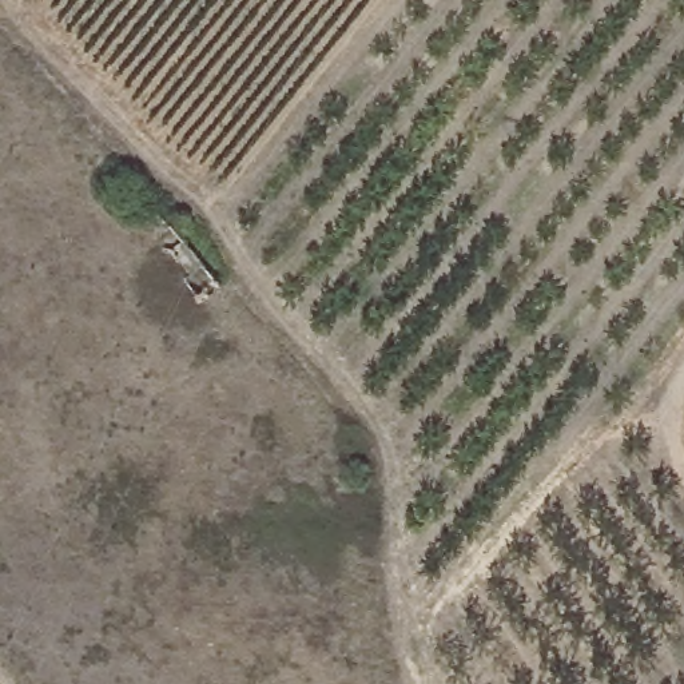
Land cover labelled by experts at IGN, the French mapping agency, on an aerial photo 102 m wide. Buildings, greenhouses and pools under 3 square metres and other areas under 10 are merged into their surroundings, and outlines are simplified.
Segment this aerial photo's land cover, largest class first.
<instances>
[{"label":"herbaceous vegetation","instance_id":"1","mask_svg":"<svg viewBox=\"0 0 684 684\"><path fill-rule=\"evenodd\" d=\"M131 155L126 139L102 115H96L88 99L80 91H75L69 80L51 61H45L32 48V43L0 13V684H403V665L398 663L393 649V617L387 609V582L382 569V481L374 489H366L363 494H342L334 486L331 476L339 468V460L334 452L337 419L331 411L334 406H342L353 411L342 398L339 387L315 363V358L307 355L265 313L262 302L248 289V281L232 270L224 283L235 294L227 307H214L208 313V307L198 305L195 299L187 297V289L182 286V275L187 273L184 265L174 262L158 246H152L144 254L131 232L118 230L112 222H104L94 211L96 200L91 184L94 171L104 163L107 155ZM684 326V302H679V307L657 326V331L647 337L644 347L636 353L625 374L636 385L657 361H663L665 345L673 342L676 331Z\"/></svg>","mask_w":684,"mask_h":684},{"label":"plowed land","instance_id":"2","mask_svg":"<svg viewBox=\"0 0 684 684\"><path fill-rule=\"evenodd\" d=\"M510 0H486L478 19L468 24L462 40L452 45L449 56L436 59L428 51V35L446 24L449 11H462V0H371L363 8V13L353 21V27L345 32V37L307 77V83L297 91V96L283 107L275 123L265 131V136L248 150L240 166L230 174V179L219 182L222 168H211V163L216 160V155L224 152V144H211L206 155L190 158L195 142L187 139L182 150H176L182 134L174 136L171 144H166V134L171 128L163 126L166 110H160L158 118H150V110L160 102V96L150 99V94H139V99H134L118 75L94 61V56L80 43L77 32H67V21H72L75 13L59 19L51 0H0V13L32 43V48L45 61H51L69 80L75 91H80L88 99L96 115H102L126 139L131 155L142 158L150 166V171L176 195V200H187L208 219L214 235L232 259V270L248 281V289L262 302L265 313L307 355L315 358V363L339 387L342 398L353 411L366 422V428L377 438L382 481V569L387 582V609L393 617V649L398 663L403 665V684H561L558 676L542 671L540 647L521 641L516 628L508 623V609L489 596V577L518 580V588L526 593V615L542 620L550 631H558V655L561 660L577 663L582 668L585 684H607L593 676V649L580 636H572V623L564 620V604L548 601L540 593V582H545L553 572L569 574V593L580 599L585 623L601 633L615 660L625 657L628 652L625 633L607 628L604 612L593 604L590 572H580L574 566L561 564L558 550L542 537L537 513L542 510L548 494L564 502V513L569 516L577 537L588 542L593 556L604 558V564L609 566V582L625 585L631 620L641 625L644 644L655 649V668L649 673H636V684H684V566L671 569L668 553H660L652 545V537L647 534L644 524L633 516V510H628L617 500V481L636 478L641 500L652 508L655 524H665L668 532L676 534V540H684V494L679 492V486L668 497H657L652 481L655 468L647 452L623 454L625 433L631 430V425H641L647 411H655L660 406L668 385L679 374V366L684 361V326L676 331L673 342L665 345L663 361H657L636 385L631 390V401L625 403V409L620 414L612 411V403L604 398V393L612 387L617 377L625 374L636 353L644 347L647 337L657 331V326L679 307V302H684V273H679L676 278H665L663 262L673 254L676 240L684 238V211L676 222H671L665 232L649 238L652 251L647 262L636 265L631 281L620 289L609 283L604 262L612 259L625 240H631L639 232V224L647 216L649 206L657 203L660 190H676V198H681L684 203V144L668 163L657 168V179L652 182L641 179L639 163L660 144V136L671 131L673 118L684 107V80L663 104L657 118L647 120L639 136L623 147L620 160H601V184L588 192V198L574 208L572 219H564L558 224L550 254L537 259L526 278L518 281V286L508 294L502 310L492 315L489 326L470 337V342L460 350V361L449 374H444L441 385L419 406L403 411L401 385L419 369V363L430 358L433 347L441 339L454 334V329L468 315V307L486 294L492 278L502 273L505 259L521 251L524 238L537 232V222L553 208L556 195L572 184V179L580 176V171L588 166V158L601 147V139L607 134H617L623 115L633 112L639 107V99L655 91V77L663 67L671 64L673 53H679L684 45V16L673 19L671 32L660 40V48L631 77V83H625L623 91H615L607 99L604 120L590 123L585 115V99L596 91L585 80L574 88L564 110L556 112L540 128L537 139L529 142L526 152L516 160V166H508L502 158V142L516 134L518 120L534 110L542 94H548L550 80L566 64L569 53L582 45L585 35L593 32V27L607 16V8L617 0H542L534 21L516 24L508 11ZM486 29H494L500 35V40L505 43V53L492 61L484 83L478 88L473 86L470 96L457 104L454 115L425 147L419 163L409 168L401 184H395L390 195L382 200V206L366 216L363 227L355 230V235L334 257V262L313 275V283L294 299L291 307L281 297L278 283L307 262V246L313 240H323L326 224L339 216L345 198L363 184L371 166L393 144V139L409 134L411 120L419 110H425L428 96H433L460 69V59L478 48V40ZM540 32L556 37V51L537 69L534 83L524 88L518 99L508 96L502 80L510 64L529 48L532 37H537ZM411 59H419L428 67L430 77L422 86H417L411 102H406L398 110V118L382 128L379 142L369 147L361 166L350 171L345 182L331 192V198L318 208L315 219L291 243V248L281 254L275 262L265 265L262 248L270 243V232L289 216L291 206L305 198V187L315 182L323 171V158L334 155L339 150V142L350 131H355L369 104L379 94L387 96L393 86L411 72ZM329 91H342L347 96L350 104L345 110V118L329 126L326 139L313 147L305 168L281 190L275 200H267V206L259 214V222L240 224V203L248 195H254L265 184V179L273 176V168L281 160L289 158V139L302 134L307 118L321 112V102ZM457 134L462 136V144L470 150L465 166L454 174L452 187H446L441 198L428 208L422 222H417L409 230L403 246L387 259V265L369 275L366 283L371 294L382 297V283L390 281L398 270H403L409 259H417L419 238L436 230V219L449 216L457 198L468 195L476 179L486 182L492 198L473 211L468 224L457 227L460 235L454 243L446 246L438 267H433L425 275V281L382 323L379 331L371 334L369 329H363L361 310L355 307L347 315H339L326 334L313 331L310 315L323 289L331 286L350 265L361 259V251L366 240L374 235L377 224L387 219L398 198L409 192L411 182L433 168V158ZM556 134L574 136V150L566 166H553L548 160L550 139ZM492 214L505 216L508 240L492 251V259L484 270H476L473 283L457 297L452 307H446L441 323L422 339L419 350L398 366V371L385 385V393L371 395L363 385L369 363L379 358V350L387 342V337L401 331V321L417 310V305L433 291V286L444 275H449L454 259L470 248V240L484 230ZM545 273L564 283V299L553 302L550 315L518 345L510 347V358L494 377L489 393L476 398L470 409L449 425L444 446L436 454L422 457L414 441L422 422L430 414H436L446 403V398L465 382V371L470 369L476 355L492 347L494 339L505 337L508 326L516 321L518 302L526 297V291L537 286V281ZM631 299L644 302V321L631 329L623 345H615V339L607 334V326L612 315L625 313V305ZM548 334L566 337L569 342L561 366L545 379L540 390L532 393L529 406L510 419V428L497 436L494 446L489 449V454L481 457L473 473H460L449 457L460 444L462 433L489 411L492 401L502 395L505 385L518 371V366L532 363L534 345ZM580 353L588 355V363L599 366L596 385L577 398L561 433L553 441H548L542 452L529 457L524 473L516 478L510 492L497 502L494 513L481 524L476 540L470 545H462L438 577L425 574L422 561L433 540L441 534L444 526L454 521V513L473 494L476 484H481L494 470V465L502 462L508 444L518 441L524 430L532 425V419L542 414L545 401L556 395L558 387L566 382L572 363ZM430 478L444 481V513L428 521L422 529L411 532L406 526V505L414 502L419 484ZM585 484L599 486L607 494V502L620 518V524L636 534L631 548L644 550V556L652 561V566L647 569L652 585L668 593L681 612L673 623H657V615L647 609L641 599L639 580L625 574L623 556L612 548V542L599 532L596 524L582 521L580 489ZM516 529H526L532 534L537 556H518L508 548ZM468 596L478 599V612L486 615V625L492 628V641L481 647L476 644V633L465 615ZM444 631H452V636L462 639L468 660L465 673L446 671V657L436 652V636H441ZM663 8H668V0H641L636 19L628 21L625 32L617 37V43L609 45V51L599 61V67L607 72L615 69L620 56L639 43V35L652 27L655 16ZM94 211L104 222H112L118 230L131 232L144 254L152 246H158L166 254L176 246H184L176 230L166 222L128 227L120 224L112 214H107V208L96 200ZM214 286L211 294H198L195 299L198 305L208 307V313L214 307H227L235 294L224 283L216 281L208 283Z\"/></svg>","mask_w":684,"mask_h":684},{"label":"deciduous trees","instance_id":"3","mask_svg":"<svg viewBox=\"0 0 684 684\"><path fill-rule=\"evenodd\" d=\"M486 0H462V11H449L446 24L428 35V51L436 59L449 56L452 45L462 40L468 24L478 19ZM542 0H510L508 11L516 24L534 21ZM641 0H617L607 8V16L593 27V32L585 35L582 45L569 53L566 64L550 80L548 94H542L534 110L518 120L516 134L502 142V158L508 166H516V160L526 152L529 142L537 139L540 128L556 112L564 110L574 88L585 80L596 91L585 99V115L590 123L604 120L607 99L615 91H623L625 83H631V77L660 48V40L671 32L673 19L684 16V0H668V8H663L655 16L652 27L639 35V43L620 56L615 69L607 72L599 67V61L609 51V45L617 43V37L625 32L628 21L636 19ZM505 53V43L500 40V35L494 29H486L478 40V48L460 59V69L433 96H428L425 110H419L411 120L409 134L393 139V144L371 166L363 184L345 198L339 216L326 224L323 240H313L307 246V262L278 283L281 297L291 307L294 299L313 283V275L334 262V257L355 235V230L363 227L366 216L382 206V200L390 195L395 184H401L409 168L419 163L425 147L454 115L457 104L470 96L473 86L478 88L484 83L492 61ZM556 51V37L540 32L537 37H532L529 48L510 64L502 80L508 96L518 99L524 88L534 83L537 69ZM684 80V45L679 53H673L671 64L663 67L655 77V91L639 99V107L633 112L623 115L617 134H607L601 139V147L588 158V166L580 171V176L572 179V184L556 195L553 208L537 222V232L524 238L521 251L505 259L502 273L492 278L486 294L468 307V315L454 329V334L441 339L433 347L430 358L419 363V369L401 385L403 411L419 406L441 385L444 374H449L460 361V350L470 342V337L489 326L492 315L502 310L508 294L518 286V281L526 278L537 259L550 254L558 224L564 219H572L574 208L588 198V192L601 184V160H620L623 147L639 136L647 120L657 118L663 104ZM430 77L428 67L419 59H411V72L393 86L387 96L379 94L369 104L355 131H350L339 142V150L334 155L323 158V171L315 182L305 187V198L291 206L289 216L270 232V243L262 248L265 265L275 262L281 254L291 248V243L315 219L318 208L331 198V192L345 182L350 171L361 166L369 147L379 142L382 128L398 118V110L406 102H411L417 86H422ZM350 104L347 96L342 91H329L321 102V112L307 118L302 134L289 139V158L281 160L273 168V176L265 179V184L254 195H248L240 203V224L259 222V214L267 206V200H275L281 190L305 168L313 147L326 139L329 126L345 118V110ZM684 144V107L673 118L671 131L660 136V144L639 163L641 179L652 182L657 179V168L668 163ZM470 150L462 144V136L457 134L433 158V168L411 182L409 192L398 198L387 219L377 224L374 235L366 240L361 251V259L350 265L331 286L323 289L310 315L313 331L326 334L339 315H347L355 307L361 310L363 329H369L371 334L379 331L382 323L425 281V275L433 267H438L446 246L454 243L460 235L457 227L468 224L473 211L492 198L486 182L476 179L468 195L457 198L449 216L436 219V230L419 238L417 259H409L403 270H398L390 281L382 283V297L371 294L366 283L369 275L387 265V259L403 246L409 230L417 222H422L428 208L441 198L446 187H452L454 174L465 166ZM574 150V136L556 134L550 139L548 160L553 166H566ZM91 184L96 200L107 208V214H112L120 224L128 227L166 222L174 214L171 208L176 200V195L150 171V166L142 158L131 155H107L104 163L94 171ZM684 211V203L681 198H676V190H660L657 203L649 206L647 216L639 224V232L631 240H625L612 259L604 262L609 283L620 289L631 281L636 265L647 262L652 251L649 238L665 232L671 222H676ZM508 240L505 216L492 214L484 230L470 240V248L454 259L449 275H444L433 286V291L417 305V310L401 321V331L387 337V342L379 350V358L369 363L363 385L371 395L385 393V385L398 371V366L419 350L422 339L441 323L446 307H452L457 297L473 283L476 270H484L492 259V251ZM679 273H684V238L676 240L673 254L663 262L665 278H676ZM564 283L545 273L537 281V286L526 291V297L518 302L516 321L508 326L505 337L494 339L492 347L476 355L470 369L465 371V382L446 398V403L436 414H430L422 422L414 441L422 457L436 454L444 446L449 425L470 409L476 398L489 393L494 377L510 358V347L518 345L550 315L553 302L564 299ZM644 321V302L631 299L625 305V313L612 315L607 326V334L615 339V345H623L631 329ZM569 342L566 337L548 334L534 345L532 363L518 366V371L505 385L502 395L492 401L489 411L462 433L460 444L449 457L460 473H473L481 457L489 454V449L494 446L497 436L510 428V419L529 406L532 393L540 390L545 379L561 366ZM599 366L588 363V355L580 353L572 363L566 382L558 387L556 395L545 401L542 414L532 419V425L524 430L518 441L508 444L502 462L494 465V470L481 484H476L473 494L454 513V521L444 526L441 534L433 540L422 561L425 574L438 577L462 545H470L476 540L481 524L494 513L497 502L510 492L516 478L524 473L529 457L542 452L548 441H553L561 433L577 398L596 385ZM636 385L625 374L617 377L612 387L604 393V398L612 403V411L620 414L625 409V403L631 401V390ZM337 419L334 452L339 460V468L331 476L334 486L342 494H363L366 489H374L382 481L377 438L366 428V422L353 411L342 406H334L331 411ZM652 438L649 430L641 425H631V430L625 433L623 454L647 452ZM652 481L657 497H668L679 486V476L673 468H655ZM444 481L430 478L419 484L414 502L406 505V526L411 532L422 529L428 521L444 513ZM617 500L628 510H633V516L644 524L647 534L652 537V545L660 553H668L671 569L684 566V540H676V534L668 532L665 524H655L652 508L641 500L636 478L617 481ZM582 521L596 524L599 532L612 542V548L623 556L625 574L639 580L641 599L647 609L657 615V623H673L681 612L668 593L652 585L647 569L652 566V561L644 556V550L631 548L636 534L620 524V518L607 502V494L599 486L585 484L580 489ZM542 537L558 550L561 564L574 566L580 572H590L593 604L604 612L607 628L625 633L628 652L625 657L615 660L601 633L585 623L580 599L569 593V574L553 572L545 582H540V593L548 601L564 604V620L572 623V636H580L593 649V676L607 684H636V673H649L655 668V649L644 644L641 625L631 620L625 585L609 582V566L604 564V558L593 556L588 542L577 537L569 516L564 513V502L548 494L542 510L537 513ZM508 548L518 556H537L532 534L526 529H516ZM489 596L508 609V623L516 628L521 641L540 647L542 671L558 676L561 684H585L582 668L577 663L561 660L558 655V631H550L542 620L526 615V593L518 588V580L489 577ZM465 615L476 633V644L481 647L492 641V628L486 625V615L478 612V599L468 596ZM436 652L446 657V671L465 673L468 660L462 639L452 636V631H444L441 636H436Z\"/></svg>","mask_w":684,"mask_h":684},{"label":"vineyard","instance_id":"4","mask_svg":"<svg viewBox=\"0 0 684 684\"><path fill-rule=\"evenodd\" d=\"M59 19L75 13L72 21H67V32H77L80 43L94 56V61L118 75L134 99H139V94H150V99L160 96V102L150 110V118H158L160 110H166L163 126L171 128L166 134V144H171L174 136L182 134L176 150H182L187 139L195 142L190 158L206 155L211 144H224V152L216 155V160L211 163V168H222L219 182L230 179V174L240 166L248 150L265 136V131L275 123L283 107L297 96V91L307 83V77L345 37V32L353 27V21L363 13V8L371 0H51Z\"/></svg>","mask_w":684,"mask_h":684},{"label":"pervious surface","instance_id":"5","mask_svg":"<svg viewBox=\"0 0 684 684\"><path fill-rule=\"evenodd\" d=\"M641 425L649 430L652 438L647 452L655 468H673L679 476V492L684 494V361L679 366V374L668 385L660 406L655 411H647Z\"/></svg>","mask_w":684,"mask_h":684},{"label":"brushwood","instance_id":"6","mask_svg":"<svg viewBox=\"0 0 684 684\"><path fill-rule=\"evenodd\" d=\"M174 214L166 222L176 230L184 246L200 265H206V270L216 281L224 283L232 270V259L214 235L208 219L187 200H176L171 208Z\"/></svg>","mask_w":684,"mask_h":684},{"label":"building","instance_id":"7","mask_svg":"<svg viewBox=\"0 0 684 684\"><path fill-rule=\"evenodd\" d=\"M174 262L184 265L187 273L182 275V286L187 289V297L195 299L198 294H211L214 286L208 283L216 281L206 270V265H200L184 246H176L166 254Z\"/></svg>","mask_w":684,"mask_h":684}]
</instances>
